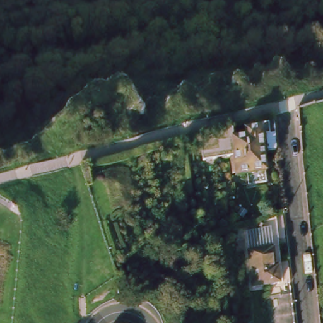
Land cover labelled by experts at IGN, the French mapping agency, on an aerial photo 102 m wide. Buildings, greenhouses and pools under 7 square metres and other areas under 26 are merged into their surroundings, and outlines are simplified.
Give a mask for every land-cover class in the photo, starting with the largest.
<instances>
[{"label":"coniferous trees","instance_id":"1","mask_svg":"<svg viewBox=\"0 0 323 323\"><path fill-rule=\"evenodd\" d=\"M279 57H284L283 76L288 81H314L323 78V0H0V149L19 145L37 132L43 135L45 129L53 125V117L62 114L68 98L81 91L90 79L106 78L117 72L129 74L130 85L135 87L145 107L149 106L150 109H155L160 103L163 105L167 96L175 95L182 96L188 106H196L199 98L203 96L201 93L194 95L184 82L193 76L194 72L209 73L230 69L233 73L235 69H241L246 82L259 86L264 82L262 72L275 71L278 68ZM149 280L135 285L134 276L124 275L112 299L126 305L127 309L136 310H140L141 303L151 302L148 291L151 290L148 288Z\"/></svg>","mask_w":323,"mask_h":323},{"label":"herbaceous vegetation","instance_id":"2","mask_svg":"<svg viewBox=\"0 0 323 323\"><path fill-rule=\"evenodd\" d=\"M309 217L315 228L320 274L323 273V100L307 103L304 111H300ZM177 139L168 138L139 146L148 156L154 149H159L161 153L177 150ZM265 183L267 206L274 211L283 209L280 192L284 191L283 172L279 165L281 148L278 145L275 149L265 151ZM136 156L131 149L103 156L98 160L83 156L81 164L76 167L35 174L30 178L14 179L9 182L0 180V323H77V320L87 317L93 310L112 299L124 275L114 265L115 261L122 264L125 259L119 250L115 249L106 216L114 208L120 211L130 204L124 196L131 192V182L138 174L130 168L134 161L130 158ZM62 206L71 227L69 231L58 232V227L54 223L57 217L52 209ZM251 173L238 174L241 179L235 183V191L226 194L217 203L214 202L217 197L208 191L207 202L202 201L199 208L204 211V221L196 230L203 236L213 235L217 244L221 246L225 259L223 269L226 270L223 278L226 285L232 286L233 290V295L226 294L228 307L223 317L231 323H269L273 318L260 313L261 302L265 299L264 291L252 290L249 280L245 278L251 267H247L246 264L249 257L245 255V240L241 232L259 227V223L256 222V218L260 216L259 183L255 187H249L245 179L249 178Z\"/></svg>","mask_w":323,"mask_h":323},{"label":"brushwood","instance_id":"3","mask_svg":"<svg viewBox=\"0 0 323 323\"><path fill-rule=\"evenodd\" d=\"M284 57H279L278 68L275 71L262 72L264 82L259 86L246 82L241 69H235L233 73L230 69L209 73L194 72L193 76L184 82L194 95L201 93L203 96L199 98L196 106H188L182 96L175 95L167 96L163 105L160 103L155 109H150L149 106L145 107L135 87L130 85L129 74L117 72L106 78L90 79L81 91L68 98L62 114L53 117V125L45 129L43 135L37 132L19 145L0 149V174L24 165L66 156L74 151L87 150L91 145L127 141L130 136L146 134L163 126L183 124L184 121L196 119L204 112L209 114L220 110L222 114L230 115L231 112L244 110L245 107L251 109L257 102L266 105L285 101L299 93L305 95L323 88V78L314 81H288L283 76ZM57 217L54 223L58 227V232L69 231L71 227L62 206L52 209ZM177 240L174 235L161 233L159 237H154L148 242L144 255L170 267L175 260L183 259L180 254L183 246L174 245ZM151 302L160 309L164 323H217L220 315L212 308L203 309L202 299L182 298L177 289L165 284L151 290L148 291Z\"/></svg>","mask_w":323,"mask_h":323},{"label":"deciduous trees","instance_id":"4","mask_svg":"<svg viewBox=\"0 0 323 323\"><path fill-rule=\"evenodd\" d=\"M220 138V132L201 127L196 138L182 135L177 139V150L161 153L159 149H154L148 156L139 146L131 149L136 156L130 158L134 161L130 168L138 174L131 182V192L124 196L130 204L120 211L114 208L106 216L115 249L119 250L125 259L122 264L115 261L114 265L124 275L134 276L135 285L149 280L148 288L151 290L165 284L177 289L182 298L202 299L203 309L212 308L220 315L217 323H231L223 317L228 307L226 294L233 295V290L232 286L226 285L223 278L226 270L223 269L225 259L221 246L217 244L213 235L203 236L196 230L204 221V211L199 208L202 201L207 202L208 191L217 197L214 202L217 203L226 194L235 191V183L241 179L238 174L232 172L231 160L228 158H217L213 163L202 160L201 149L209 139ZM161 233L174 235L177 240L174 245L183 246L180 254L183 259L175 260L170 267L144 255L148 242L154 237H159ZM260 216L256 218V222L259 223L274 220L276 216H284L283 209L274 211L267 206L265 183H259Z\"/></svg>","mask_w":323,"mask_h":323},{"label":"impervious surface","instance_id":"5","mask_svg":"<svg viewBox=\"0 0 323 323\"><path fill-rule=\"evenodd\" d=\"M323 100V88L305 95L299 93L285 101L266 105L257 102L251 109L245 107L244 110L231 112L230 115L222 114L220 110L209 114L204 112L196 119L184 121L183 124L163 126L146 134L130 136L127 141L91 145L87 150L74 151L66 156L24 165L0 174V180L9 182L14 179L30 178L35 174L76 167L81 164L83 156L98 160L103 156L131 149L139 146L168 138L177 139L182 135L196 138L201 127L220 132L233 125V132L238 134L252 122L269 120L271 124H276L278 145L281 148L279 165L283 172L284 191L280 192L283 209L284 216L285 237L289 241V245L286 246L285 264L290 269L295 323H323V273L320 274L315 228L309 217L300 111H304L307 103ZM140 310H136L127 309L126 305L112 299L93 310L87 317L77 320V323H164L160 309L151 302L141 303Z\"/></svg>","mask_w":323,"mask_h":323},{"label":"building","instance_id":"6","mask_svg":"<svg viewBox=\"0 0 323 323\"><path fill-rule=\"evenodd\" d=\"M278 145L276 124H271L269 120L252 122L238 134L233 132V125L220 132V138L209 139L201 149L202 160L213 163L217 158H228L231 160L232 172L238 174L251 173L249 178L245 179L249 187H255L259 183H265V151L275 149ZM245 240V255L249 257L246 264L247 267H251L245 278L249 280L252 290L264 291L265 299L261 302L260 313L273 318L269 323H295L290 269L285 264L286 246L289 245V241L285 237L284 216H276L274 220L259 223V227L241 232Z\"/></svg>","mask_w":323,"mask_h":323}]
</instances>
